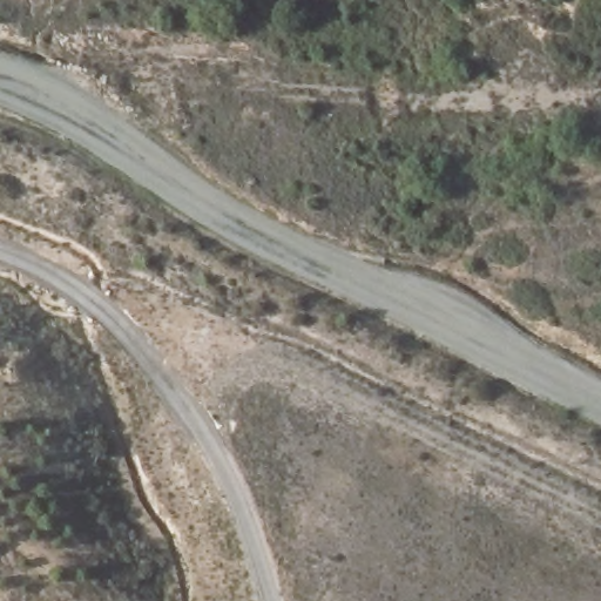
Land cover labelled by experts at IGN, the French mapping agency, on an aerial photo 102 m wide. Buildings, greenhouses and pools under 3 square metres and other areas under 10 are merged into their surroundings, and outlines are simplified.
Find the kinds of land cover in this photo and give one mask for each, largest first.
<instances>
[{"label":"herbaceous vegetation","instance_id":"1","mask_svg":"<svg viewBox=\"0 0 601 601\"><path fill-rule=\"evenodd\" d=\"M0 23H12L21 31V35L28 38L23 47L0 40V52L47 68H54L56 63L82 66L94 77L103 75L106 82L120 94V99L134 108H139V117H150L155 106H167L169 101L178 99L171 68L183 59L216 66L221 63L230 77H235V92L270 94L289 103H312L305 124H312L322 115H326L331 103L364 106L366 101L362 99L359 87L279 80L275 75L279 61L277 49L254 38L235 42H214L200 33H164L157 26H148L122 28L117 23H87L80 26L77 33L85 40L82 52L66 49L63 45L52 40V45H42V38H38L40 28L45 26V14L31 16L28 2L21 0H0ZM599 87V94L589 99L587 106L601 108V73H587V80L578 87ZM491 110H434L430 120L420 122V134H404V141H399L397 146L387 139L378 146L387 160L401 162L404 157L416 155L420 160L425 176L441 185V190L446 193V197L441 200L439 223L427 232V239H444L441 251L437 256H425L420 251H401L399 242L392 235L373 225V207L364 209L362 214H347L345 218L329 216L324 211L329 209V200L319 197L315 202V193L310 188H303V181L293 183L291 200H301L293 214L319 230L333 232L336 237L362 239L364 244L373 247L378 256H383L387 270L413 272L418 277L441 282L467 293L538 347H545L559 354L561 359L601 378V366L573 352L570 347H563L524 326L505 308L479 293L474 286L465 284L462 279L434 270L437 258L462 263L470 272H477L479 277L488 279L495 293L509 298L516 279H538L549 289L552 303L561 317L556 326L575 331L582 340L592 343L601 352V291H592V286L578 282L575 275L580 272L585 258L582 251L601 249V162L578 157L575 164H570L556 160L552 150H542V162L535 169V178L540 188L549 190V195L545 197L542 221H531L526 216V207H521V211L516 214L502 209V200L486 190L472 174V160L481 155H502V150L512 143H524L533 124H542V120L549 115H559L568 103L554 101L549 108L542 110L535 99H526L521 110L509 113L502 106V96L493 92L488 96ZM505 232H514L528 247V256L519 265L493 263L488 268L484 258H477V254L484 249L491 235ZM7 143H12L14 150L26 155L28 160H45L49 164V174L63 183L59 197H47L40 185H23L16 176L0 174V211L26 223L42 225L59 235L75 237L85 247L94 249L110 265V298L113 303L124 308H129V312L143 326L155 322V305L148 296L153 293L160 296V301H169V293L131 275V270H150L164 284L185 291V308H204L214 315H221L225 336L242 333L254 343H277L282 345V359L286 362H303L308 357L310 366L317 373H329L331 380L343 383L364 397H380L387 408L434 432H441L458 444H465L498 460L502 458V453L514 455L524 467L540 470L547 477H554L573 486L578 495H587V505L580 507L594 521V526H587L578 516L561 512L559 507H549L538 498H528V491H540V486H531L521 479L514 486L509 481H495L479 472L474 474V481L477 486H484L481 495H455L446 486H427L418 474H413V467L420 462H437V453H430V448L420 439L399 434L392 427H383L371 420H366V425H352L347 420L350 411L336 413V423L329 425V404H319L315 411L298 408L291 404L289 397L272 394L270 383H258L239 397L235 416L237 427L230 437V448L237 465L244 472L247 486L258 507L265 540L277 563L282 596L286 601H601V491L575 477L563 474L561 470L549 467L547 462L524 455L521 451L502 441H495L493 437H484L470 430L465 425L467 416L458 413L455 406L486 404L474 387H465L460 378L446 383L448 392L444 397V406L448 408V416H439L427 406L416 404L413 399H406L408 385L399 380L385 387L336 364L338 357H345V352L315 340L319 331H326V312H319L315 308L324 291L312 289L308 282L298 279L279 265H268L254 254L235 251L216 237H207V225L188 221L181 214V209L164 202L153 190L134 183L127 174L99 160L85 146L70 139H59L52 129L42 127L35 120H14L0 113V150ZM0 242H7L14 251H23V247H28L31 242H40L49 249L66 251L73 258H77L85 268H89L92 275L99 272L94 261L80 254L73 244L54 242L38 232H28L26 228L0 221ZM96 326V340L89 343L82 322L47 315L38 301H33L31 286H21L19 282L0 277V477L7 472L14 474L19 479L21 493H31L38 484H45L47 491L54 493L56 514L52 521L61 528H73V535L66 547L94 542L103 545L108 540V533L103 531V526H99V514L108 512V519L113 524H122L134 509L129 493L122 488L117 460L129 453H139L146 472L162 467V446L155 441V430L148 427V423L160 411V401L164 399L153 380H146V373L139 359L131 354V350L117 340V336L99 317H92ZM28 425H33L38 432L49 430L42 470H38L35 465H23V451L7 448L5 444V437H16ZM338 343L369 345V331L364 329H357L352 333H333ZM491 406L498 413L509 416L514 425L528 430L533 437H542L540 446L549 453L556 451V441H568L585 451L587 465L601 467V425L580 416V411L575 408H566L561 404L540 399L512 385L509 392ZM153 488L157 498L164 502L169 516L176 521L178 509L171 486H162V481H155ZM204 521L209 526L211 545L221 549V556L211 563V568L223 570V582L228 589L223 594H204V601H254L249 570L242 561L244 552L239 547L235 524L221 502L209 505ZM47 561L42 556H26L19 547L0 556V573L5 578H33L31 568L45 566ZM164 601H188V582L181 561L171 566V570L164 575ZM45 589H40L38 594H26V589L19 587L0 589V601H141L136 596L122 594L110 580L103 589L99 580H89L85 575V570L75 573V580L61 582L59 568L42 575Z\"/></svg>","mask_w":601,"mask_h":601},{"label":"brushwood","instance_id":"2","mask_svg":"<svg viewBox=\"0 0 601 601\"><path fill-rule=\"evenodd\" d=\"M174 5V0H68L66 9L54 14V21L61 33H77L80 26L87 23H117L122 28L148 26L150 14L155 9L164 12ZM354 0H338V19L329 21L319 31L296 33L293 26L286 28L284 35H277L275 28L268 23L254 38L277 49L279 61L275 75L279 80L359 87L362 99L366 101L364 106L331 103L326 115H322L312 124H305L312 103H289L270 94L235 92V77H230L221 63L216 66L183 59L171 68L178 99L169 101L167 106H155L150 117H139V108H134V113L129 115V124L146 134L153 143H157L181 164L200 155L218 174L235 181L237 185L251 178V193L258 200L272 202L279 209L293 214L301 200H291L293 183L303 181V188H310L315 193V202L319 197L329 200V209L324 211L329 216L345 218L347 214H362L364 209L373 207V225L392 235L399 242L401 251H420L425 256H437L441 251L444 239H427V232L439 223L441 200L446 197V193L441 190V185L425 176L420 160L416 155L404 157L401 162L387 160L378 146L387 139L397 146L399 141H404V134H420V122L430 120L434 110H411L408 101L397 99L399 113L390 122L392 131L383 129L380 103L376 96L380 75L392 77L397 82V92H413L427 96L465 92L472 82L470 75H465L458 82H439L434 87L418 85L416 56H423L425 52L432 54L437 49V42H444L453 52L460 40H470V26L458 21V16L441 0H369L376 5L378 23L369 26L364 21L350 23V5ZM542 150H552L556 160L570 164H575L578 157L601 162V108L587 106L582 108L568 103L559 115H549L542 120V124H533L524 143H512L502 150V155H481L472 160V174L486 190L502 200V209L516 214L521 211V207H526V216L531 221H542L545 197L549 195V190L540 188L535 178V169L542 162ZM528 256V247L514 232H505L491 235L484 249L477 254V258H484L488 268L493 263L519 265ZM585 258L580 272L575 275L578 282L592 286V291H601V249L582 251ZM533 319H547L556 326L561 317L552 303L549 289L538 279H516L509 298ZM315 308L319 312H326V331L333 333H352L357 329H364L369 331V345L373 350H397L399 362L406 364L416 376L430 373L437 380L446 383L460 378L465 387H474L486 404L491 406L509 392L512 385L451 354L441 345H434L425 338H418L411 331L387 324L383 310L359 308L345 298H336L329 291H324Z\"/></svg>","mask_w":601,"mask_h":601},{"label":"impervious surface","instance_id":"3","mask_svg":"<svg viewBox=\"0 0 601 601\"><path fill-rule=\"evenodd\" d=\"M0 113L14 120H35L42 127L52 129L59 139H70L85 146L99 160L127 174L134 183L153 190L164 202L181 209V214L188 221L207 225V237H216L235 251L254 254L268 265H279L298 279L308 282L312 289L324 291H329L336 298H345L359 308L383 310L387 324L411 331L418 338H425L434 345H441L451 354L512 385L540 399L561 404L566 408H575L580 411V416L601 425V378L561 359L559 354L545 347H538L467 293L441 282L418 277L413 272L387 270L383 256H378L373 247L364 244L362 239L336 237L333 232L319 230L293 214L279 209L272 202L258 200L251 193V178L237 185L235 181L218 174L200 155L181 164L157 143H153L146 134L129 124V115L134 113V108L120 99V94L106 82L103 75L94 77L82 66L56 63L54 68H47L0 52ZM0 261L19 265L54 284L59 291L73 296L82 305V319L92 317H99L117 336V340L131 350V354L139 359L146 373V380H153L164 399L174 406L178 418L193 432V444L188 446V451L197 453L200 462L209 470L214 486L225 495V500L221 502L235 524L239 547L244 552L242 561L249 570L254 601H286L282 596L277 563L265 540L258 507L247 486L244 472L237 465L230 448L221 444L209 430L216 420L207 406V399L195 397L193 385L183 387L174 369L162 366L160 352H155V343L148 345L146 333L136 324H131V319L124 315V308L113 303L110 298L106 301L103 296H99L92 277L77 275L68 265L54 263L28 247H23V251H14L7 242H0Z\"/></svg>","mask_w":601,"mask_h":601},{"label":"pervious surface","instance_id":"4","mask_svg":"<svg viewBox=\"0 0 601 601\"><path fill-rule=\"evenodd\" d=\"M28 2L31 16L45 14H54L66 9L68 0H21ZM0 40L23 47L28 38L21 35V31L12 23H0ZM52 40L63 45L66 49L82 52L85 40L77 33H61ZM493 92L502 96V106L509 113L521 110L526 99H535L542 110L549 108L554 101L568 103L582 108L587 106L589 99L599 94V87H578L552 92L542 82L524 80H516L514 85H502L495 80L472 82L465 92L427 96L413 92H397V82L392 77L380 75L376 96L380 103L383 129L392 131L390 122L399 113L397 99L408 101L411 110H491L488 96ZM0 221L26 228L28 232H38L54 242L73 244L80 254L94 261L99 272L92 275L89 268H85L77 258H73L66 251L49 249L40 242H31L28 247L54 263L68 265L77 275L92 277L99 296H103L106 301L110 298V265L94 249L85 247L75 237L59 235L42 225L26 223L0 211ZM434 270L462 279L465 284L474 286L479 293L505 308L524 326L563 347H570L573 352L601 366V352L592 343L582 340L575 331L556 326L547 319H533L509 298L495 293L488 279L479 277L477 272H470L462 263L437 258ZM131 275L169 293V301H160V296L153 293L148 296L155 305V322L143 326L129 312V308H124V315L131 319V324H136L146 333L148 345L155 343V352H160L162 366L174 369L183 387L193 385L195 397L207 399V406L216 420L209 430L221 444L230 448V437L237 427L235 416L239 397L258 383H270L272 394L289 397L291 404L298 408L315 411L319 404H329V425L336 423V413L350 411L347 420L352 425H366V420H371L383 427H392L399 434L420 439L430 448V453H437V462H420L413 467V474H418L427 486H446L455 495H481L484 486H477L474 481V474L479 472L495 481H509L514 486L521 479L531 486H540V491H528V498H538L549 507H559L561 512L578 516L587 526H594V521L580 507L587 505V495H578L573 486L554 477H547L540 470L524 467L514 455L502 453V458L498 460L465 444H458L441 432H434L387 408L380 397H364L343 383L331 380L329 373H317L310 366L308 357L303 362H286L282 359V345L277 343H254L242 333L225 336L221 315H214L204 308H185V291L164 284L150 270H131ZM315 340L345 352V357H338L336 364L385 387L399 380L408 385L406 399H413L416 404L427 406L439 416H448V408L444 406V397L448 392L446 383L437 380L430 373L416 376L406 364L399 362L397 350H373L369 345L338 343L333 333L326 331H319ZM458 413L467 416L465 425L470 430L484 437H493L495 441H502L521 451L524 455L547 462L549 467L561 470L563 474L575 477L601 491V467L587 465L585 451L568 441H556V451L549 453L540 446L542 437H533L528 430L514 425L509 416L498 413L491 406L486 404L455 406Z\"/></svg>","mask_w":601,"mask_h":601},{"label":"deciduous trees","instance_id":"5","mask_svg":"<svg viewBox=\"0 0 601 601\"><path fill-rule=\"evenodd\" d=\"M338 0H174V5L164 12L155 9L150 14L148 26H157L164 33H200L214 42H235L254 38L268 23L275 28L277 35H284L286 28L293 26L296 33L319 31L329 21L338 19ZM364 21L369 26L378 23L376 5L369 0H354L350 5V23ZM458 16V21L470 26V40H460L453 52L444 42H437V49L432 54L425 52L423 56H416L418 85L434 87L439 82H458L465 75H470L472 82L495 80L502 85H514L516 80H524L542 82L552 92L578 87L587 80V73H601V0H441ZM61 33L54 21V14H45V26L40 28L38 38H42V45H52V40ZM49 430L38 432L33 425H28L16 437H5V444L7 448L23 451V465H35L38 470H42ZM56 514L54 493L47 491L45 484H38L31 493H21L19 479L14 474L7 472L0 477V556L19 547L21 542L31 540L59 549L63 556V566L59 568L61 582L75 580V573L85 570V575L89 580H99L103 589L110 580L122 594L136 596L141 601H164V575L171 570V566L181 561L176 545L160 547L155 538H150L146 528L139 524V514L134 509L122 524H113L108 519V512L99 514V526H103V531L108 533V540L103 545L94 542L66 547L73 535V528H61L52 521ZM19 587L26 589V594H38L40 589H45L42 575L33 578H5L0 573V589Z\"/></svg>","mask_w":601,"mask_h":601},{"label":"bare soil","instance_id":"6","mask_svg":"<svg viewBox=\"0 0 601 601\"><path fill-rule=\"evenodd\" d=\"M0 174L16 176L23 185H40L47 197H59L63 183L49 174V164L45 160H28L26 155L14 150L12 143H7L0 150ZM0 277L19 282L21 286H31L33 301H38L47 315L82 322L89 343L96 340V326L92 317L82 319V305L73 296L59 291L54 284L19 265L0 261ZM148 427L155 430V441L162 446V467L146 472L139 453H129L117 460L122 488L129 493L134 509L139 514V524L146 528L150 538H155L160 547L176 545L181 561L188 582V601H204V594H223L228 589L223 582V570L211 568V563L221 556V549L211 545L209 526L204 521L209 505L221 502L225 500V495L214 486L209 470L200 462L197 453L188 451V446L193 444V432L178 418L174 406L164 399L160 401V411L148 423ZM155 481H162V486H171L178 509L176 521L169 516L164 502L157 498L153 488ZM26 556H42L47 561L45 566L31 568L33 578L42 575L59 568L63 566V556L59 549L31 540L21 542L19 547Z\"/></svg>","mask_w":601,"mask_h":601}]
</instances>
